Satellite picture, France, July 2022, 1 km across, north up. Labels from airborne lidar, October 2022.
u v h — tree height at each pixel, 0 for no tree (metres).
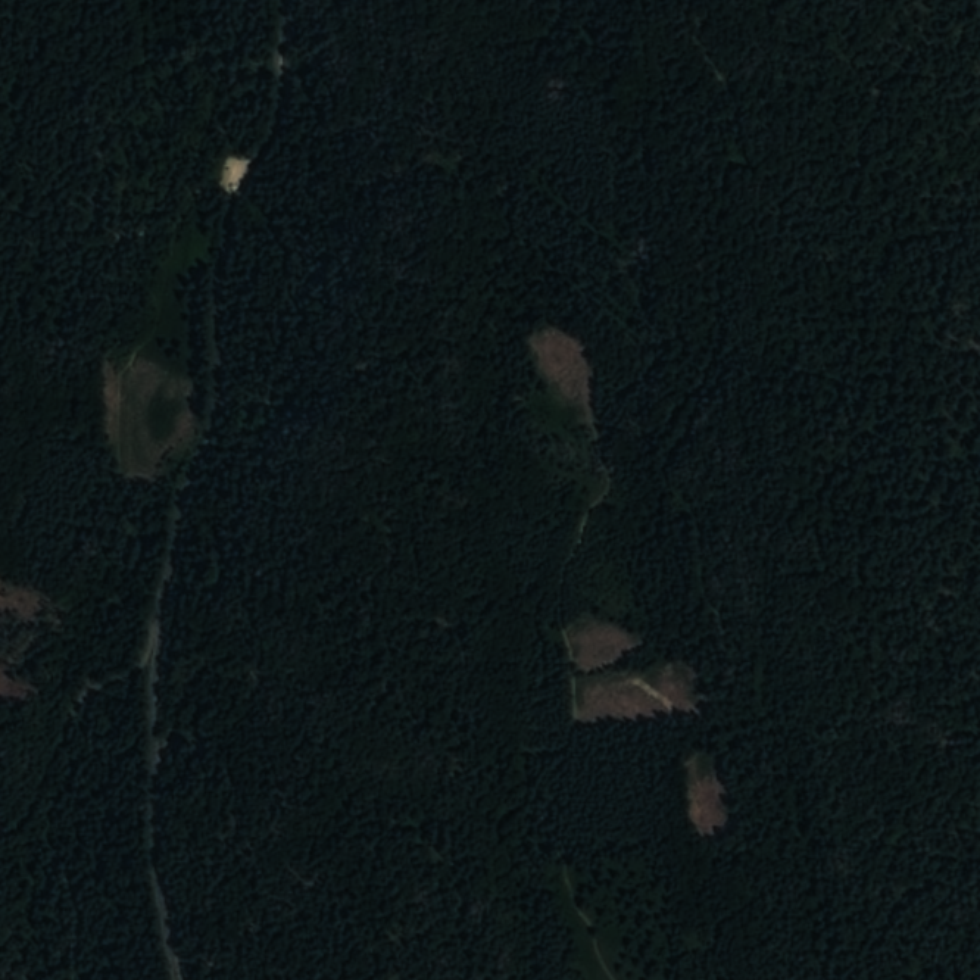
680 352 24
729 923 24
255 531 29
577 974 14
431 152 14
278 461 26
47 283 10
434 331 23
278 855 18
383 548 20
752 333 17
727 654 19
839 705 12
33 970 25
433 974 25
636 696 0
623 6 31
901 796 6
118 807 30
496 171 10
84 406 31
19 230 27
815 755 27
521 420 27
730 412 19
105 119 29
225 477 19
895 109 22
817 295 19
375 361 26
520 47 31
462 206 31
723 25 20
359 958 20
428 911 17
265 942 20
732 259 22
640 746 26
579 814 29
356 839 18
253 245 32
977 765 30
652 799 23
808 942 18
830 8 21
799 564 18
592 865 20
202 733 24
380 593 22
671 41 15
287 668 11
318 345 25
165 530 19
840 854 18
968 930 15
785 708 15
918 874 14
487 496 24
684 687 0
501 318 26
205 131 13
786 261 18
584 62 31
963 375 19
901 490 29
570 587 13
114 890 36
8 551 31
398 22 13
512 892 20
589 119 27
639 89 28
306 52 20
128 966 29
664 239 25
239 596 22
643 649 11
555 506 7
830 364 18
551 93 29
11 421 31
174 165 11
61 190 34
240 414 20
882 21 23
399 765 7
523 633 26
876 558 29
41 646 20
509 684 30
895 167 24
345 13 28
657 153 24
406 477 14
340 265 20
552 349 0
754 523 17
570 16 30
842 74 19
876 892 22
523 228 36
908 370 31
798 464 22
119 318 33
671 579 15
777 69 13
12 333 23
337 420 9
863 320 22
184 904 21
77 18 38
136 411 0
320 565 18
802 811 10
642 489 12
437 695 14
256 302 27
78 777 32
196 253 0
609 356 27
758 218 21
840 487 22
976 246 29
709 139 15
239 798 16
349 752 13
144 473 0
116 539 33
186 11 7
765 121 20
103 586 19
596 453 11
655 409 34
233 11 33
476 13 24
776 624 17
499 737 35
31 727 12
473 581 22
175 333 0
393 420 22
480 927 26
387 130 10
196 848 23
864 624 15
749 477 24
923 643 32
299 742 20
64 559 22
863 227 27
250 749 15
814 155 20
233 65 32
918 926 24
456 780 12
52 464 27
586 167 25
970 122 22
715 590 14
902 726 15
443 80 17
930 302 29
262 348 25
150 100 36
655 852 27
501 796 32
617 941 0
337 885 21
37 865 18
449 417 25
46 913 34
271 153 32
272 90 33
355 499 16
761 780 22
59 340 29
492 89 29
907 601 23
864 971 22
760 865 16
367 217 25
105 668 14
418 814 24
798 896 23
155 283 7
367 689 18
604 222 29
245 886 15
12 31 13
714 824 0
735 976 22
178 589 13
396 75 18
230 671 22
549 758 24
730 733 28
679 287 21
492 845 34
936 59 22
